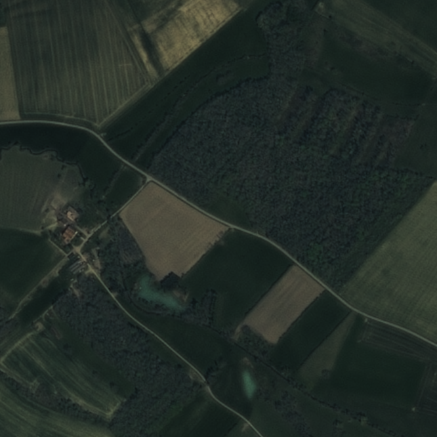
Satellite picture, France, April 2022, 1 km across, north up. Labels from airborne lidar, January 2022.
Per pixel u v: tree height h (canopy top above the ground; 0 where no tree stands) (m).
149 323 0
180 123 0
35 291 0
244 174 22
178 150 22
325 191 23
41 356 0
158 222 0
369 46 0
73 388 0
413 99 0
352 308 0
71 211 0
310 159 19
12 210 0
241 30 0
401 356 0
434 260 0
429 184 7
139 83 0
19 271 0
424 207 0
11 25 0
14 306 0
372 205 24
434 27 0
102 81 0
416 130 0
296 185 15
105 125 0
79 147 0
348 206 18
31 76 0
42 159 0
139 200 0
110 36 0
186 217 0
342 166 25
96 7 0
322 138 27
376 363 0
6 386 0
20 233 0
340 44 0
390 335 0
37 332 0
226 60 0
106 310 27
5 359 0
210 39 0
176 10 0
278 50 19
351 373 0
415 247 0
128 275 10
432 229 0
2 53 0
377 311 0
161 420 24
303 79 0
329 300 0
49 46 0
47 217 0
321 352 0
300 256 19
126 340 25
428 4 0
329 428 0
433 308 0
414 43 0
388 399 0
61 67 0
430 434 0
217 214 0
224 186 24
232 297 0
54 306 13
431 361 0
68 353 19
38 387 0
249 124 9
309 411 0
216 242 7
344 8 0
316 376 0
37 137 0
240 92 17
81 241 0
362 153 26
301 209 24
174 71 0
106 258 20
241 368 0
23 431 0
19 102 0
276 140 18
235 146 23
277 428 0
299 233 23
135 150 0
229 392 0
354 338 0
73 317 22
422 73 0
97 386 0
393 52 0
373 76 0
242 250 0
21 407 0
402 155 0
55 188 0
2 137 0
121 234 17
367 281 0
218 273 0
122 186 0
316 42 0
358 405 0
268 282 0
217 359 0
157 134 16
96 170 0
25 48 0
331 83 0
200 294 0
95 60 0
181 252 0
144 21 0
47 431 0
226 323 0
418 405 0
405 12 0
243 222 0
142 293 0
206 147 24
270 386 0
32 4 0
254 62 0
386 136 0
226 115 14
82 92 0
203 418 0
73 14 0
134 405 22
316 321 0
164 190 0
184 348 0
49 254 0
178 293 0
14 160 0
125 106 0
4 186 0
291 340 0
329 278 20
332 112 27
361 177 19
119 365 21
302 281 0
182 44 0
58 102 0
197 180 25
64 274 0
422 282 0
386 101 0
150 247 0
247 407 0
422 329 0
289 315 0
